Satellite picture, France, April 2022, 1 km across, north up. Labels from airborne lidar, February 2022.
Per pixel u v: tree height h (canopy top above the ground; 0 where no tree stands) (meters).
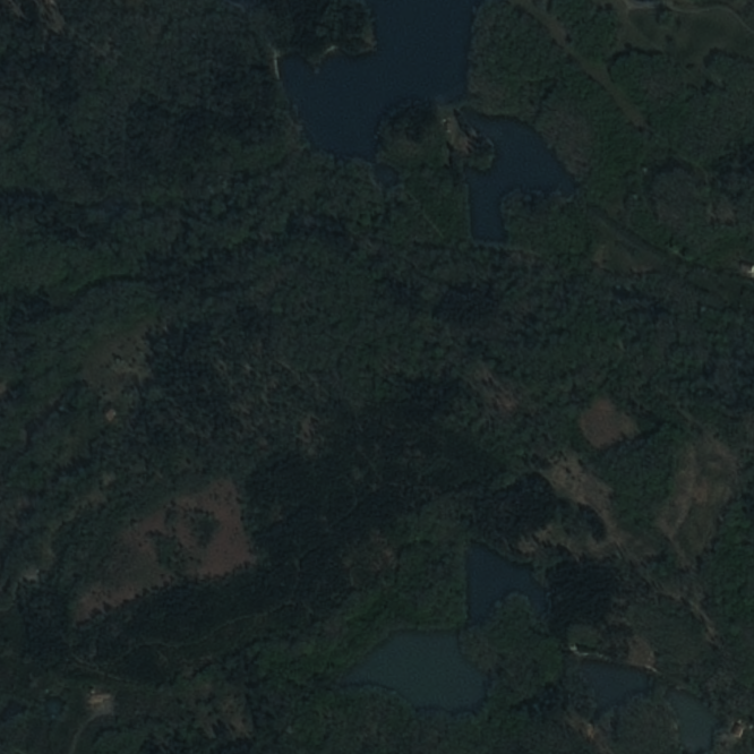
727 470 0
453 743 26
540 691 27
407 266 26
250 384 18
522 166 0
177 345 19
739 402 23
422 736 12
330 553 12
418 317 19
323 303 19
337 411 18
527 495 31
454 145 0
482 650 21
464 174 7
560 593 17
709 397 26
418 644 0
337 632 29
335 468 12
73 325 25
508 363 22
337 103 0
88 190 20
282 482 9
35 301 6
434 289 27
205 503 0
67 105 15
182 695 6
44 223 23
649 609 14
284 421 17
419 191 15
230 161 20
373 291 22
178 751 21
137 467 19
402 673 0
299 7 15
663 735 21
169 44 24
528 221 18
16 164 19
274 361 19
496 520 24
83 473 26
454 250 20
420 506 7
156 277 18
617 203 0
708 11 0
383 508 10
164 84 19
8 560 21
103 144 14
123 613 6
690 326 17
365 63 0
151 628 9
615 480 20
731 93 21
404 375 16
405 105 18
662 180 18
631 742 23
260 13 19
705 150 20
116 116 23
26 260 23
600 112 20
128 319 20
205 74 20
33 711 9
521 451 18
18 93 19
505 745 23
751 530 11
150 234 23
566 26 25
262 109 22
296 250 20
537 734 23
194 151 20
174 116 14
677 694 0
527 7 0
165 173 20
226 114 26
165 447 7
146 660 9
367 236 9
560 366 19
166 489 13
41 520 23
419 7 0
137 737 25
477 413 22
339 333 21
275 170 10
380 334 24
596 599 22
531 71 21
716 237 19
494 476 10
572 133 20
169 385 8
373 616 12
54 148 16
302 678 31
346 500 12
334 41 18
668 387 16
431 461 8
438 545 11
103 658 8
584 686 22
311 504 13
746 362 26
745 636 23
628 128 17
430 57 0
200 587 15
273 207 19
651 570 23
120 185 19
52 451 24
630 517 25
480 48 18
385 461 6
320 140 0
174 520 10
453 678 0
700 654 14
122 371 0
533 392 23
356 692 17
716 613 27
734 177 24
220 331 12
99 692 0
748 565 27
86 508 7
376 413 8
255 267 27
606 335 21
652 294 20
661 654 19
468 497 22
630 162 19
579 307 29
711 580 25
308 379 16
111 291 25
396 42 0
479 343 19
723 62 24
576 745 24
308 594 12
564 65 23
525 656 22
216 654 6
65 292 6
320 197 6
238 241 25
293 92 0
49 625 19
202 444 16
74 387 8
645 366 25
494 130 0
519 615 19
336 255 23
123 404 0
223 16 16
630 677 0
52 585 18
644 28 0
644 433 6
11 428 22
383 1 0
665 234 15
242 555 0
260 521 13
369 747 13
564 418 24
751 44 0
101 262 16
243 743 8
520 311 28
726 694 9
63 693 7
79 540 17
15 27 16
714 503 0
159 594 8
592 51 22
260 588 9
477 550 0
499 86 19
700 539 0
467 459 12
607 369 9
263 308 20
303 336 23
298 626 8
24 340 25
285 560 12
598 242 10
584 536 22
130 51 13
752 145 10
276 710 28
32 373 23
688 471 0
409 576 13
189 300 24
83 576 7
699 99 22
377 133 9
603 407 0
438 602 23
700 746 0
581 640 17
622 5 0
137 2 0
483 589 0
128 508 13
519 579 0
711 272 19
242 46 23
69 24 21
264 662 27
